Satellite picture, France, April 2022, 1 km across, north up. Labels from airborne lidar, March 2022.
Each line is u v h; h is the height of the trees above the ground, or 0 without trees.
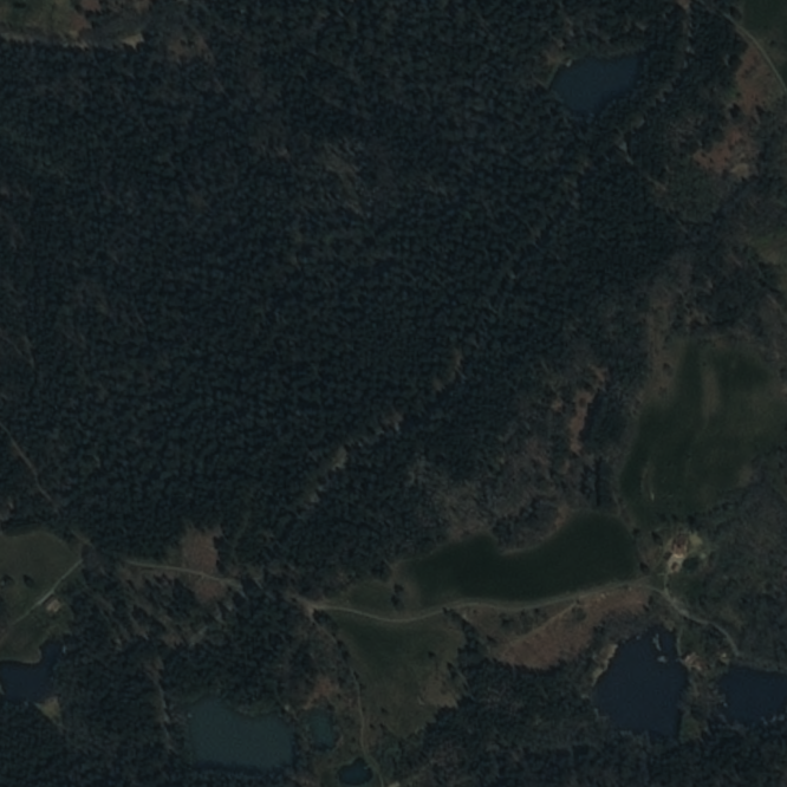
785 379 10
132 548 24
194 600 28
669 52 29
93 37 16
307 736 9
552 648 0
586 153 32
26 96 35
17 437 21
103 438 29
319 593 19
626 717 0
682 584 0
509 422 22
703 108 17
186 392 30
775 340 20
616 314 22
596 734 15
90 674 18
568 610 0
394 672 0
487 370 25
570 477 7
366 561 23
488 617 0
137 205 25
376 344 26
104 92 19
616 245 26
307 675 13
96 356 22
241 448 28
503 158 27
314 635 11
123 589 26
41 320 20
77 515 26
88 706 19
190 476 29
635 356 23
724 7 23
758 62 9
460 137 40
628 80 0
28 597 0
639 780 23
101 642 23
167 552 23
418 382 32
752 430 0
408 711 0
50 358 23
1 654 0
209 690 18
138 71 25
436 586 0
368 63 34
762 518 19
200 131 25
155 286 22
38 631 0
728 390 0
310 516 18
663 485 0
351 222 23
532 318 6
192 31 19
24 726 20
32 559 0
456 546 0
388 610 0
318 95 22
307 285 29
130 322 20
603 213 30
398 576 0
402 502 24
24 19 0
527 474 23
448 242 32
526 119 22
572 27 21
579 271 19
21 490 16
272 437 12
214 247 22
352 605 0
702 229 14
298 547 28
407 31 22
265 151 18
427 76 20
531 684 27
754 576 21
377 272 12
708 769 26
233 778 23
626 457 23
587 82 0
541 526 26
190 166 22
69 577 0
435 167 25
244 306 24
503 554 8
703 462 0
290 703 18
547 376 20
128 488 27
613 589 0
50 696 0
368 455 26
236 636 15
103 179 22
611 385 9
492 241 32
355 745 10
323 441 29
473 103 32
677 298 23
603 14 27
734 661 10
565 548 0
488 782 24
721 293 21
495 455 18
